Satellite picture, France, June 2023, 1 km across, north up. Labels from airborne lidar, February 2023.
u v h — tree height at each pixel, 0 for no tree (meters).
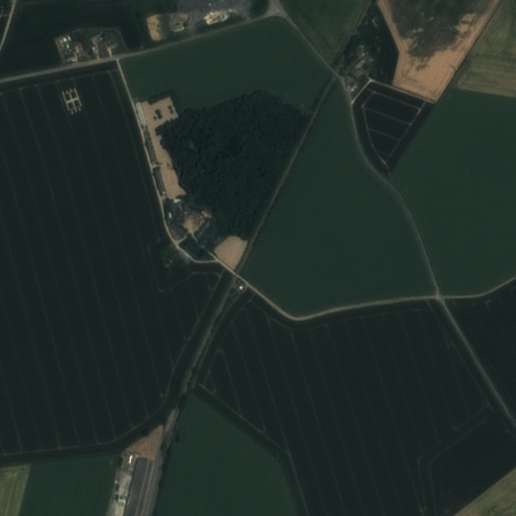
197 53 0
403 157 0
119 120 0
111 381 0
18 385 0
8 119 0
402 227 0
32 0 6
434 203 0
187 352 0
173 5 0
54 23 0
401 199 0
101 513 0
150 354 0
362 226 0
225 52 0
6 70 0
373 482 0
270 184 15
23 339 0
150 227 0
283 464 0
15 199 0
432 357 0
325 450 0
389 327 0
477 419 0
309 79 0
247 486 0
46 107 0
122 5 0
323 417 0
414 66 0
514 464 0
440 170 0
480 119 0
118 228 0
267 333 0
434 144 0
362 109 0
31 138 0
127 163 0
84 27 0
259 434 0
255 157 19
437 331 0
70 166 0
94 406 0
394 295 0
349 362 0
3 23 0
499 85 0
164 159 0
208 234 9
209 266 0
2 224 0
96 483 0
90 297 0
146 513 0
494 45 0
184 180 14
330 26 0
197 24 0
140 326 0
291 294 0
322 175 0
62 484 0
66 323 0
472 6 0
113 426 0
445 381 0
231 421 0
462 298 0
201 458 0
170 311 0
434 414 0
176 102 10
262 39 0
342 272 0
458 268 0
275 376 0
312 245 0
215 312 0
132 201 0
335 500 0
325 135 0
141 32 0
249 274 0
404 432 0
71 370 0
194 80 0
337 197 0
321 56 0
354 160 0
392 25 0
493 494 0
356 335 0
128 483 0
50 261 0
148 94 0
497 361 0
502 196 0
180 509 0
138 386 0
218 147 21
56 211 0
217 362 0
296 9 0
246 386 0
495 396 0
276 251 0
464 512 0
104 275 0
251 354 0
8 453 0
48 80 0
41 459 0
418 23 0
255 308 0
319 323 0
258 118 18
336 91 0
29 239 0
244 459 0
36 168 0
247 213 16
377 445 0
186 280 0
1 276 0
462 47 0
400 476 0
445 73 0
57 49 0
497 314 0
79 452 0
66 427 0
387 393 0
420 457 0
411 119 0
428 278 0
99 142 0
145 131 0
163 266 0
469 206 0
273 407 0
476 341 0
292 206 0
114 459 0
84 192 0
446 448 0
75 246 0
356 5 0
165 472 8
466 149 0
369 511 0
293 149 16
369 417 0
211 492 0
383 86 0
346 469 0
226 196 22
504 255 0
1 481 0
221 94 0
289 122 19
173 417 0
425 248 0
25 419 0
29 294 0
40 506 0
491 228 0
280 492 0
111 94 0
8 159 0
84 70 0
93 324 0
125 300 0
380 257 0
